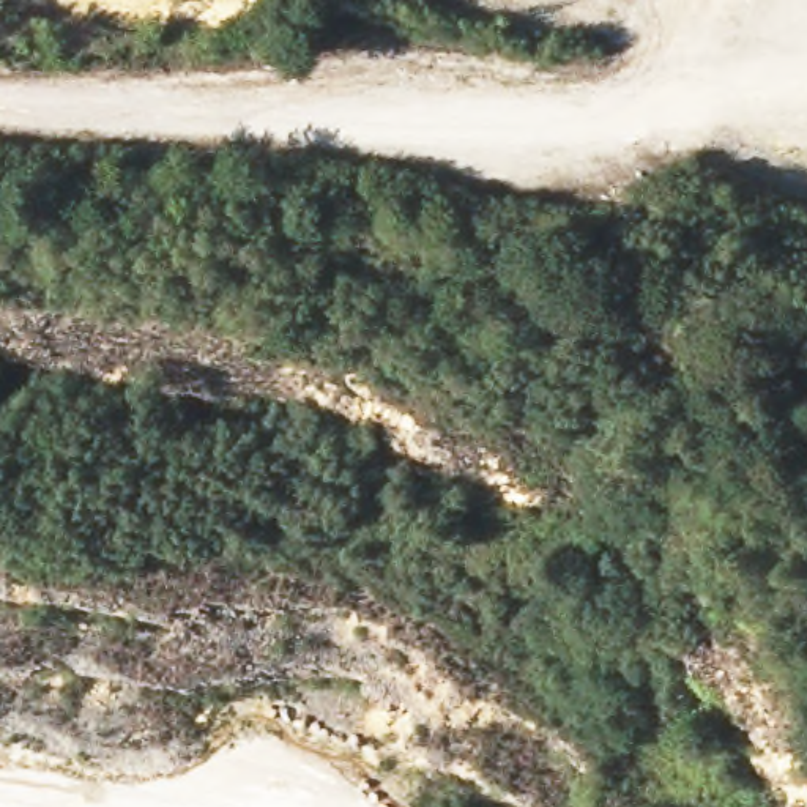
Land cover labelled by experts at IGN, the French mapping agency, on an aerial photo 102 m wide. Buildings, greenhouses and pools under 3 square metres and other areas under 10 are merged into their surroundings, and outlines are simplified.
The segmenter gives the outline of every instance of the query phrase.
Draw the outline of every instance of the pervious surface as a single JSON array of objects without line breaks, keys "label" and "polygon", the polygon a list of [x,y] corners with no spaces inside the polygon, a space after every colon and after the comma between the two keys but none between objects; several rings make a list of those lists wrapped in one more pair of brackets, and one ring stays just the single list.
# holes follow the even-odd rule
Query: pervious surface
[{"label": "pervious surface", "polygon": [[66,306],[63,312],[0,306],[0,350],[9,350],[25,363],[44,369],[88,372],[101,381],[129,385],[148,385],[154,363],[170,356],[214,366],[227,372],[227,381],[236,391],[277,400],[315,400],[318,407],[334,410],[347,419],[385,422],[391,432],[391,448],[397,454],[435,463],[448,476],[482,479],[495,485],[498,495],[511,504],[533,508],[542,501],[542,492],[523,492],[514,476],[501,473],[498,457],[485,448],[435,448],[432,429],[419,429],[407,413],[378,400],[378,391],[369,388],[359,372],[350,372],[347,366],[315,359],[309,359],[306,366],[281,366],[277,359],[252,363],[249,347],[262,344],[265,337],[227,331],[214,325],[214,318],[177,318],[167,325],[158,318],[104,322],[88,306]]},{"label": "pervious surface", "polygon": [[88,47],[88,41],[101,38],[101,28],[110,16],[120,16],[164,19],[161,41],[170,47],[186,32],[195,32],[202,22],[218,28],[230,16],[249,13],[255,0],[0,0],[0,41],[9,35],[28,35],[32,19],[47,19],[54,35],[60,38],[60,57],[73,60],[79,47]]},{"label": "pervious surface", "polygon": [[788,734],[798,728],[794,716],[788,719],[772,712],[766,684],[741,684],[747,665],[741,662],[741,656],[731,646],[700,646],[697,656],[684,656],[687,687],[700,697],[706,709],[725,709],[731,722],[747,731],[750,763],[757,772],[769,779],[775,798],[782,798],[785,807],[807,807],[807,782],[801,779],[801,763],[788,753]]},{"label": "pervious surface", "polygon": [[[98,624],[41,624],[38,630],[25,630],[19,624],[19,612],[25,602],[145,621],[158,624],[161,634],[136,630],[136,640],[123,640],[104,634]],[[476,791],[463,798],[463,807],[555,807],[567,801],[567,782],[561,769],[593,769],[577,750],[577,744],[564,741],[555,728],[533,722],[530,716],[511,712],[498,703],[467,700],[444,671],[435,668],[429,653],[391,637],[388,624],[353,615],[350,608],[359,602],[359,586],[340,567],[337,549],[322,549],[318,542],[312,542],[312,549],[303,558],[293,558],[284,567],[271,571],[243,561],[224,561],[224,555],[208,558],[205,567],[177,567],[161,558],[145,558],[126,583],[117,583],[113,589],[16,586],[6,583],[6,571],[0,567],[0,807],[413,807],[419,785],[435,772],[460,775],[476,785]],[[353,678],[359,681],[359,694],[309,690],[303,694],[303,700],[249,697],[240,703],[211,703],[199,712],[199,725],[205,725],[208,738],[195,741],[161,744],[154,719],[145,712],[145,703],[139,697],[142,687],[192,697],[199,687],[236,687],[243,681],[255,681],[258,675],[274,675],[277,684],[290,678]]]},{"label": "pervious surface", "polygon": [[16,76],[13,66],[0,63],[0,129],[38,136],[117,136],[154,142],[218,142],[233,136],[255,136],[274,139],[277,145],[309,145],[322,132],[328,132],[337,145],[350,145],[369,154],[448,161],[460,170],[473,170],[482,180],[501,180],[520,189],[574,189],[583,199],[615,205],[624,202],[627,186],[637,183],[643,170],[659,170],[662,164],[671,164],[678,154],[700,148],[722,148],[744,161],[760,158],[775,167],[807,170],[807,0],[426,0],[444,19],[504,22],[508,35],[526,41],[536,50],[555,25],[621,25],[630,35],[630,47],[612,57],[608,63],[577,60],[542,73],[526,60],[410,50],[410,41],[397,32],[394,22],[375,16],[378,0],[306,0],[318,16],[312,35],[306,38],[309,54],[318,57],[318,66],[306,79],[284,79],[274,66],[262,66],[255,57],[249,57],[246,69],[230,73],[154,73],[148,79],[129,79],[123,69],[91,69],[82,76],[63,73],[25,82]]}]

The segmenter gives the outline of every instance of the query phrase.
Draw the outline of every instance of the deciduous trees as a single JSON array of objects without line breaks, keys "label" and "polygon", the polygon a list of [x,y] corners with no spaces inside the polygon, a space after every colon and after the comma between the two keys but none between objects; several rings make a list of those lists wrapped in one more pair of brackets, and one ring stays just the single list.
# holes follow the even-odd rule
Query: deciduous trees
[{"label": "deciduous trees", "polygon": [[32,19],[28,35],[9,35],[0,41],[0,63],[13,66],[16,76],[25,82],[63,73],[82,76],[91,69],[123,69],[129,79],[148,79],[154,73],[230,73],[246,69],[249,57],[255,57],[262,66],[274,66],[284,79],[306,79],[318,66],[318,57],[309,54],[306,38],[312,35],[318,16],[306,0],[255,0],[249,13],[230,16],[218,28],[202,22],[195,32],[186,32],[170,47],[161,41],[164,19],[120,16],[110,16],[101,28],[101,38],[88,41],[88,47],[79,47],[73,60],[60,57],[60,38],[54,35],[47,19]]},{"label": "deciduous trees", "polygon": [[16,586],[113,589],[117,583],[126,583],[145,558],[161,558],[177,567],[205,567],[208,558],[224,555],[224,561],[243,561],[271,571],[284,567],[293,558],[303,558],[312,549],[312,542],[318,542],[322,549],[337,549],[340,567],[359,586],[359,602],[350,608],[353,615],[388,624],[391,637],[429,653],[435,668],[444,671],[467,700],[498,703],[511,712],[530,716],[533,722],[555,728],[564,741],[577,744],[577,750],[593,769],[599,772],[593,807],[785,807],[782,798],[775,798],[769,779],[757,772],[750,763],[747,731],[731,722],[725,709],[706,709],[700,697],[687,687],[684,656],[697,656],[700,646],[731,646],[741,656],[750,649],[750,643],[747,634],[738,630],[738,621],[766,627],[760,643],[769,653],[775,653],[775,659],[785,668],[794,716],[798,728],[788,734],[788,753],[801,763],[801,779],[807,782],[807,170],[775,167],[760,158],[744,161],[722,148],[700,148],[678,154],[671,164],[662,164],[659,170],[643,170],[637,183],[627,186],[624,202],[615,205],[583,199],[574,189],[520,189],[501,180],[482,180],[473,170],[460,170],[448,161],[369,154],[350,145],[337,145],[328,132],[322,132],[309,145],[277,145],[274,139],[255,136],[233,136],[218,142],[154,142],[117,136],[38,136],[0,129],[0,306],[63,312],[66,306],[88,306],[104,322],[158,318],[167,325],[177,318],[214,318],[214,325],[227,331],[265,337],[262,344],[249,347],[252,363],[277,359],[281,366],[306,366],[309,359],[315,359],[347,366],[350,372],[359,372],[369,388],[378,391],[378,400],[407,413],[419,429],[432,429],[435,448],[485,448],[485,438],[498,438],[508,432],[508,426],[526,422],[533,438],[564,451],[574,498],[586,495],[574,520],[542,514],[530,526],[508,533],[504,511],[511,504],[498,495],[495,485],[482,479],[448,476],[435,463],[397,454],[391,448],[391,432],[385,422],[347,419],[334,410],[318,407],[315,400],[277,400],[236,391],[227,381],[227,372],[214,366],[170,356],[154,363],[148,385],[129,385],[101,381],[88,372],[44,369],[25,363],[9,350],[0,350],[0,567],[6,571],[6,583]]},{"label": "deciduous trees", "polygon": [[397,32],[410,41],[410,50],[526,60],[542,73],[577,60],[608,63],[612,57],[630,47],[630,35],[621,25],[555,25],[536,50],[526,41],[508,35],[504,22],[444,19],[426,0],[378,0],[375,16],[394,22]]}]

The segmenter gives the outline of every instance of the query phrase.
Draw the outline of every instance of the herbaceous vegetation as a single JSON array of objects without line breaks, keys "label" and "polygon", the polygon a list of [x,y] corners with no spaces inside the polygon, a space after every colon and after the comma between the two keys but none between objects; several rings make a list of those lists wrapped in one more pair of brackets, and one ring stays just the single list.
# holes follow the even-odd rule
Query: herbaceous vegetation
[{"label": "herbaceous vegetation", "polygon": [[463,807],[463,798],[476,791],[476,785],[460,775],[435,772],[419,785],[413,807]]},{"label": "herbaceous vegetation", "polygon": [[593,769],[561,769],[567,782],[567,801],[555,807],[593,807],[599,772]]},{"label": "herbaceous vegetation", "polygon": [[523,492],[542,492],[542,501],[533,508],[511,504],[504,511],[508,533],[530,526],[542,514],[574,520],[586,495],[574,498],[564,451],[533,438],[526,422],[508,426],[508,432],[498,438],[485,438],[485,448],[498,457],[501,473],[514,476]]},{"label": "herbaceous vegetation", "polygon": [[249,697],[303,700],[303,694],[309,690],[359,694],[359,681],[353,678],[290,678],[277,684],[274,675],[258,675],[255,681],[243,681],[236,687],[199,687],[192,697],[142,687],[139,697],[145,703],[145,712],[154,719],[161,744],[195,741],[208,738],[205,725],[199,725],[199,712],[211,703],[240,703]]},{"label": "herbaceous vegetation", "polygon": [[750,649],[741,656],[741,662],[747,665],[741,684],[766,684],[772,712],[788,719],[794,716],[785,668],[775,659],[775,653],[769,653],[760,643],[766,627],[738,621],[738,630],[747,634],[750,643]]},{"label": "herbaceous vegetation", "polygon": [[145,621],[25,602],[19,612],[19,624],[25,630],[38,630],[41,624],[98,624],[104,634],[123,640],[136,640],[136,630],[161,634],[158,624]]}]

